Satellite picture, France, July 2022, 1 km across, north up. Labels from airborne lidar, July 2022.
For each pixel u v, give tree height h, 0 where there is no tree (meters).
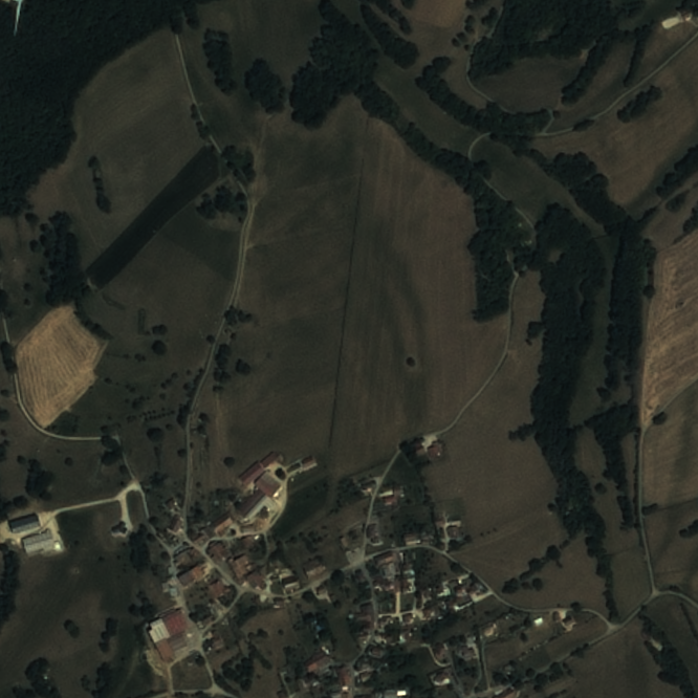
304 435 0
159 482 12
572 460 10
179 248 0
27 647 0
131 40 21
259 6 0
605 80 0
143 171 0
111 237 0
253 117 0
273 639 0
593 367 0
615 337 17
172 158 0
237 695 6
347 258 0
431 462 7
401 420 0
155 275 0
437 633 8
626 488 8
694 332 0
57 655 0
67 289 16
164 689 0
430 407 0
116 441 12
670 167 0
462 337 0
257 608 6
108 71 0
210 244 0
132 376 0
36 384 0
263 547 7
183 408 8
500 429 0
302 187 0
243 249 0
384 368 0
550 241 17
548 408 21
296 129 0
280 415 0
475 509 0
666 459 0
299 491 0
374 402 0
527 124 13
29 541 0
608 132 0
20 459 10
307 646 0
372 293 0
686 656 0
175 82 0
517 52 13
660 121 0
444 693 0
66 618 0
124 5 17
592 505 12
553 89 0
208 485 0
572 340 14
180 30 14
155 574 7
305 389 0
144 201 0
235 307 10
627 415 11
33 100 12
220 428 0
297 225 0
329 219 0
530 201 0
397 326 0
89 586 0
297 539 8
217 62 18
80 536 0
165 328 12
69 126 18
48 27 15
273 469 0
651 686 0
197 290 0
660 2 0
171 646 0
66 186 0
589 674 0
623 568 0
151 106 0
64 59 14
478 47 7
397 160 0
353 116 0
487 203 10
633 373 10
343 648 0
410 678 12
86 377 0
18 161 12
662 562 0
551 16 10
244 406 0
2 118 12
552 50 15
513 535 0
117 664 0
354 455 0
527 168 0
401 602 0
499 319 0
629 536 0
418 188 0
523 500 0
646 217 8
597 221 11
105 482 0
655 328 0
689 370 0
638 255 17
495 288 9
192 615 10
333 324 0
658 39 0
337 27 14
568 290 14
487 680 0
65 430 0
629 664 0
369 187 0
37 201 0
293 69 0
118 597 0
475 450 0
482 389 0
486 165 18
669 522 0
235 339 9
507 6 7
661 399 0
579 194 18
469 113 15
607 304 0
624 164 0
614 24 15
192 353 0
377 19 13
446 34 0
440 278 0
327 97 19
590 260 18
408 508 0
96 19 19
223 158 12
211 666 0
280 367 0
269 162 0
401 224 0
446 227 0
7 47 10
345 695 0
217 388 13
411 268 0
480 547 0
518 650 0
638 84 0
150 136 0
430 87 14
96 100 0
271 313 0
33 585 0
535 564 14
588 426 14
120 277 0
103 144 0
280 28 0
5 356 10
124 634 0
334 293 0
